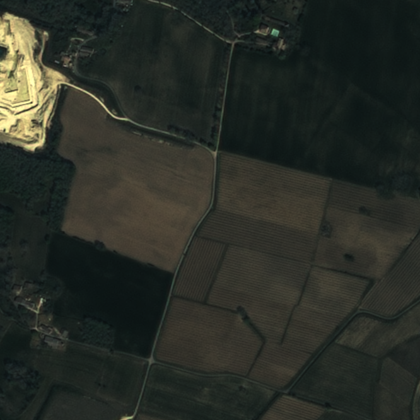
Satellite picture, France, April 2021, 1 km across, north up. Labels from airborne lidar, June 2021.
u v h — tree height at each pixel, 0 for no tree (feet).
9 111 0
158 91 0
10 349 0
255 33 19
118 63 0
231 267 0
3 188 47
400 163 0
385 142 0
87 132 0
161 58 0
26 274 0
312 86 0
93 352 0
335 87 0
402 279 0
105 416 0
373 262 0
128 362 0
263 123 0
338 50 0
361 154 0
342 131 0
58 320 0
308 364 0
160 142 0
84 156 0
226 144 0
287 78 0
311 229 0
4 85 0
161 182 0
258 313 0
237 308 0
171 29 0
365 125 0
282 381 0
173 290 0
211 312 0
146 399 0
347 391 0
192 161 0
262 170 0
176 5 25
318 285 0
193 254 0
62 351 0
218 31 20
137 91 50
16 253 0
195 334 0
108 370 0
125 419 0
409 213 0
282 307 0
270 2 42
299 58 0
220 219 0
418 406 0
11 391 0
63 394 0
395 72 0
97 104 0
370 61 0
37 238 0
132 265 0
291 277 0
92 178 0
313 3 0
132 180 0
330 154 0
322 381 0
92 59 0
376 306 0
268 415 0
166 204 0
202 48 0
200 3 55
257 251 0
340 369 0
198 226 0
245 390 37
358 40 0
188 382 0
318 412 0
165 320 0
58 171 58
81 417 0
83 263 0
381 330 0
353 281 0
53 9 52
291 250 0
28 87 0
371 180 0
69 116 0
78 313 0
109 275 0
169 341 0
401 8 0
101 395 0
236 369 0
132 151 0
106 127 0
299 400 0
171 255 0
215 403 0
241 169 0
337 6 0
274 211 0
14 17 0
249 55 0
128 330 0
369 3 0
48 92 0
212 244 0
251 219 0
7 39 0
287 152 0
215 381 0
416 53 0
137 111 0
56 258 0
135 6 0
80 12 41
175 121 0
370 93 0
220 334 0
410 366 0
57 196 47
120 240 0
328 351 0
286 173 0
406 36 0
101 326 45
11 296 21
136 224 0
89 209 0
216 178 0
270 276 0
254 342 0
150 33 0
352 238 0
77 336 0
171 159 0
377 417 0
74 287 0
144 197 0
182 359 0
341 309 0
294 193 0
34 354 0
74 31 37
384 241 0
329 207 0
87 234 0
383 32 0
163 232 0
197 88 0
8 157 41
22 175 62
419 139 0
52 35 0
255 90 0
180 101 0
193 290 0
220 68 0
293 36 49
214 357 0
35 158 65
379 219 0
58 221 65
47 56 0
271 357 0
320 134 0
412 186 33
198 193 0
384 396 0
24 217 0
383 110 0
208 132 0
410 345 0
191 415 0
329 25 0
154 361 0
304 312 0
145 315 0
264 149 0
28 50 0
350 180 0
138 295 0
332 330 0
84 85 0
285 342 0
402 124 0
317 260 0
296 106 0
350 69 0
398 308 0
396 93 0
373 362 0
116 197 0
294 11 25
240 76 0
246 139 0
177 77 0
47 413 0
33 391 65
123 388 0
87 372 0
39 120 0
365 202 0
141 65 0
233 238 0
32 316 52
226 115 0
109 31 36
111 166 0
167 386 0
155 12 0
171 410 0
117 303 0
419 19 0
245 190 0
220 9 48
